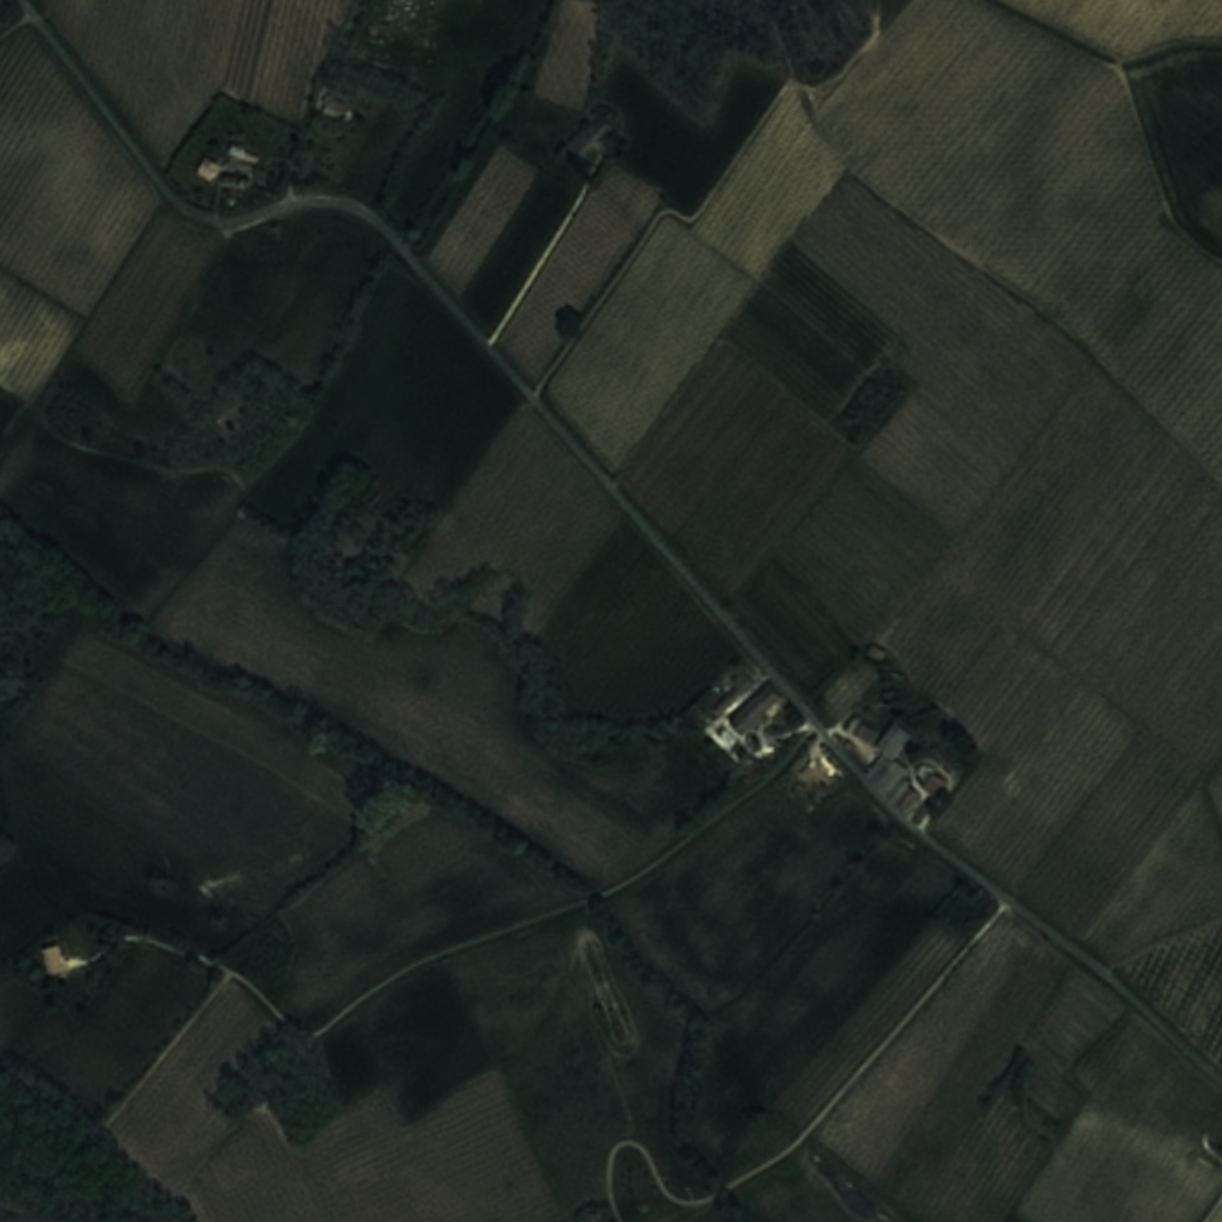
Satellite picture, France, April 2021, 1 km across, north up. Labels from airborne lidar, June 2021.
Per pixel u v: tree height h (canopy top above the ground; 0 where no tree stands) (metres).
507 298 0
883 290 0
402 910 0
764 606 0
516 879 0
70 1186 17
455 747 0
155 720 0
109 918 6
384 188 8
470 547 0
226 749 0
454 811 15
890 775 0
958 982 0
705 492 0
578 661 0
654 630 0
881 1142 0
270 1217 0
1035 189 0
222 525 0
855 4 18
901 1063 0
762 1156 0
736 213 0
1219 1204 0
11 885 0
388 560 10
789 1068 0
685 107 13
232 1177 0
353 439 0
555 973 0
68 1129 20
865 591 0
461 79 0
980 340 0
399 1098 0
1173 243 0
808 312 0
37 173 0
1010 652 0
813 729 0
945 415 0
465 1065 0
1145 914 0
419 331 0
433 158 0
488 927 0
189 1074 0
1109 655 0
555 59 0
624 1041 0
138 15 0
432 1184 0
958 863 0
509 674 0
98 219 0
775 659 0
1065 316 0
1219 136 0
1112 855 0
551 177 0
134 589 0
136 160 0
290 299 0
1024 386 0
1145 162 0
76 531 0
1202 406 0
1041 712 0
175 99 0
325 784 0
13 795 0
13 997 0
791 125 0
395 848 0
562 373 0
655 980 17
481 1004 0
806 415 0
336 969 0
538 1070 0
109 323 0
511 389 0
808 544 0
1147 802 0
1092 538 0
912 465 0
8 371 0
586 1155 0
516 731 0
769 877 0
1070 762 0
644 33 15
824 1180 0
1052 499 0
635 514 0
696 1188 0
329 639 0
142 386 0
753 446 0
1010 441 0
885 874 0
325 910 0
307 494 0
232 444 13
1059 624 0
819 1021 0
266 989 0
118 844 0
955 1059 0
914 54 0
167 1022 0
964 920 6
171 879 12
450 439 0
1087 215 0
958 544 0
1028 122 0
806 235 0
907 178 0
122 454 7
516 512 0
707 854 0
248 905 0
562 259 0
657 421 0
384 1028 0
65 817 0
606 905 12
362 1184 0
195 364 0
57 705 0
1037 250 0
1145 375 0
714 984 0
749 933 0
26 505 0
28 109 0
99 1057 0
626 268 0
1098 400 0
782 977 0
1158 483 0
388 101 15
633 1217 0
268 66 0
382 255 6
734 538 0
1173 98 0
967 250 0
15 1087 20
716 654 0
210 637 0
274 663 0
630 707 0
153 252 0
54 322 0
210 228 0
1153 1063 0
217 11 0
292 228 0
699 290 0
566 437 0
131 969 0
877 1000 0
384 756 15
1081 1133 0
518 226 0
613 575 0
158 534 0
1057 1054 0
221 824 0
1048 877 0
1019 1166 0
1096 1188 0
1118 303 0
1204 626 0
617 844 0
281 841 0
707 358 0
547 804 0
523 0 0
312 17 0
